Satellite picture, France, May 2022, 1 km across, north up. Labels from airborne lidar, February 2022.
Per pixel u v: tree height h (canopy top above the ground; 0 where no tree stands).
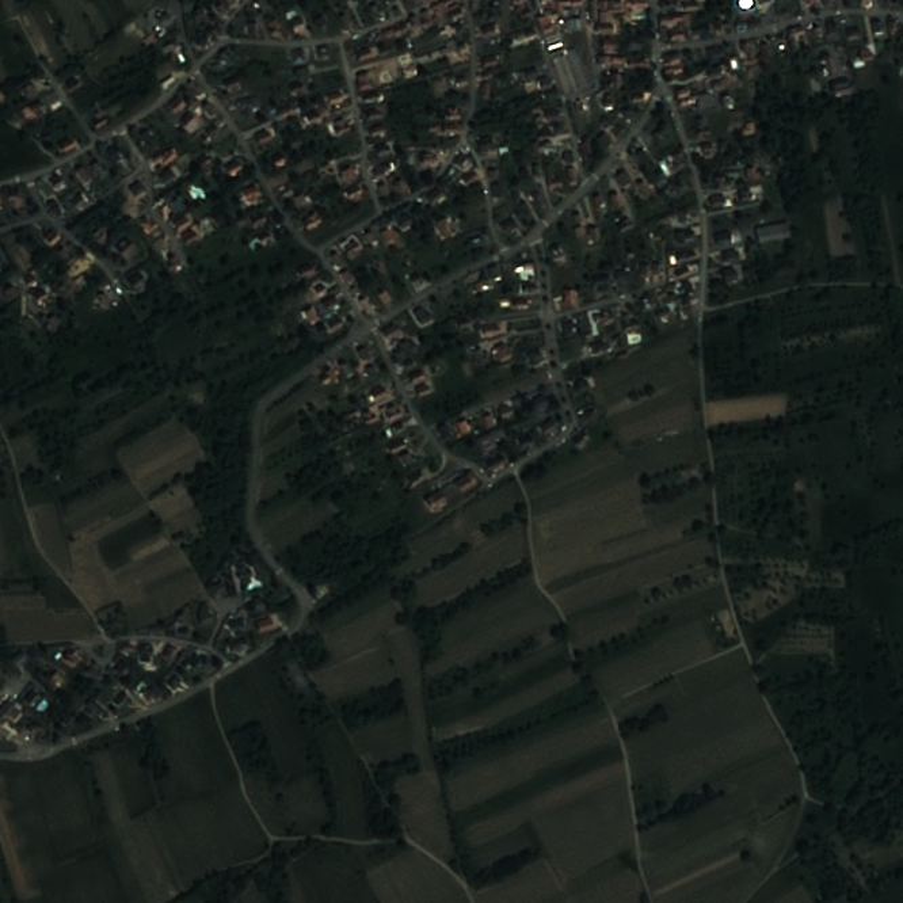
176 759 0
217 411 7
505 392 0
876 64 0
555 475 0
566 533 0
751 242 13
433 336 0
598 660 0
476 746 8
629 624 0
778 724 0
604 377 0
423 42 0
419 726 0
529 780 0
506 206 0
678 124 0
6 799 0
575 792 0
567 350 0
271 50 0
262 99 0
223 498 7
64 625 0
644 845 0
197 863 0
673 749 0
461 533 0
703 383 0
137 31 0
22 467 0
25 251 0
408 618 8
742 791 0
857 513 0
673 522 0
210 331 0
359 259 0
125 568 0
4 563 0
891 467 0
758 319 8
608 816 0
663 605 0
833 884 12
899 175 0
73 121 6
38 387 9
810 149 0
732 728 0
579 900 0
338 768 0
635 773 0
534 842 0
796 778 0
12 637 0
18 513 0
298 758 0
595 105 0
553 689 0
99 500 0
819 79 0
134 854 0
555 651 0
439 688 9
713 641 0
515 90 0
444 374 0
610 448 0
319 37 0
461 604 8
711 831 0
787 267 8
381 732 0
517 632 0
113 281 0
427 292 0
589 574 0
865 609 0
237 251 0
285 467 0
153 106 0
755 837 0
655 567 0
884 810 7
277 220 13
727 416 0
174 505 0
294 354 8
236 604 0
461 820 0
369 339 0
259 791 0
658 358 0
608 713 0
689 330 0
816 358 0
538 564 0
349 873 0
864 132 8
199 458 0
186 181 6
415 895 0
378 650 0
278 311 0
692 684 0
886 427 0
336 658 0
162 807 0
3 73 0
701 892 0
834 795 10
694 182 0
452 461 0
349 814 0
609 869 0
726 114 0
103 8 0
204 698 0
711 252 0
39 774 0
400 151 18
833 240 0
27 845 0
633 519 0
